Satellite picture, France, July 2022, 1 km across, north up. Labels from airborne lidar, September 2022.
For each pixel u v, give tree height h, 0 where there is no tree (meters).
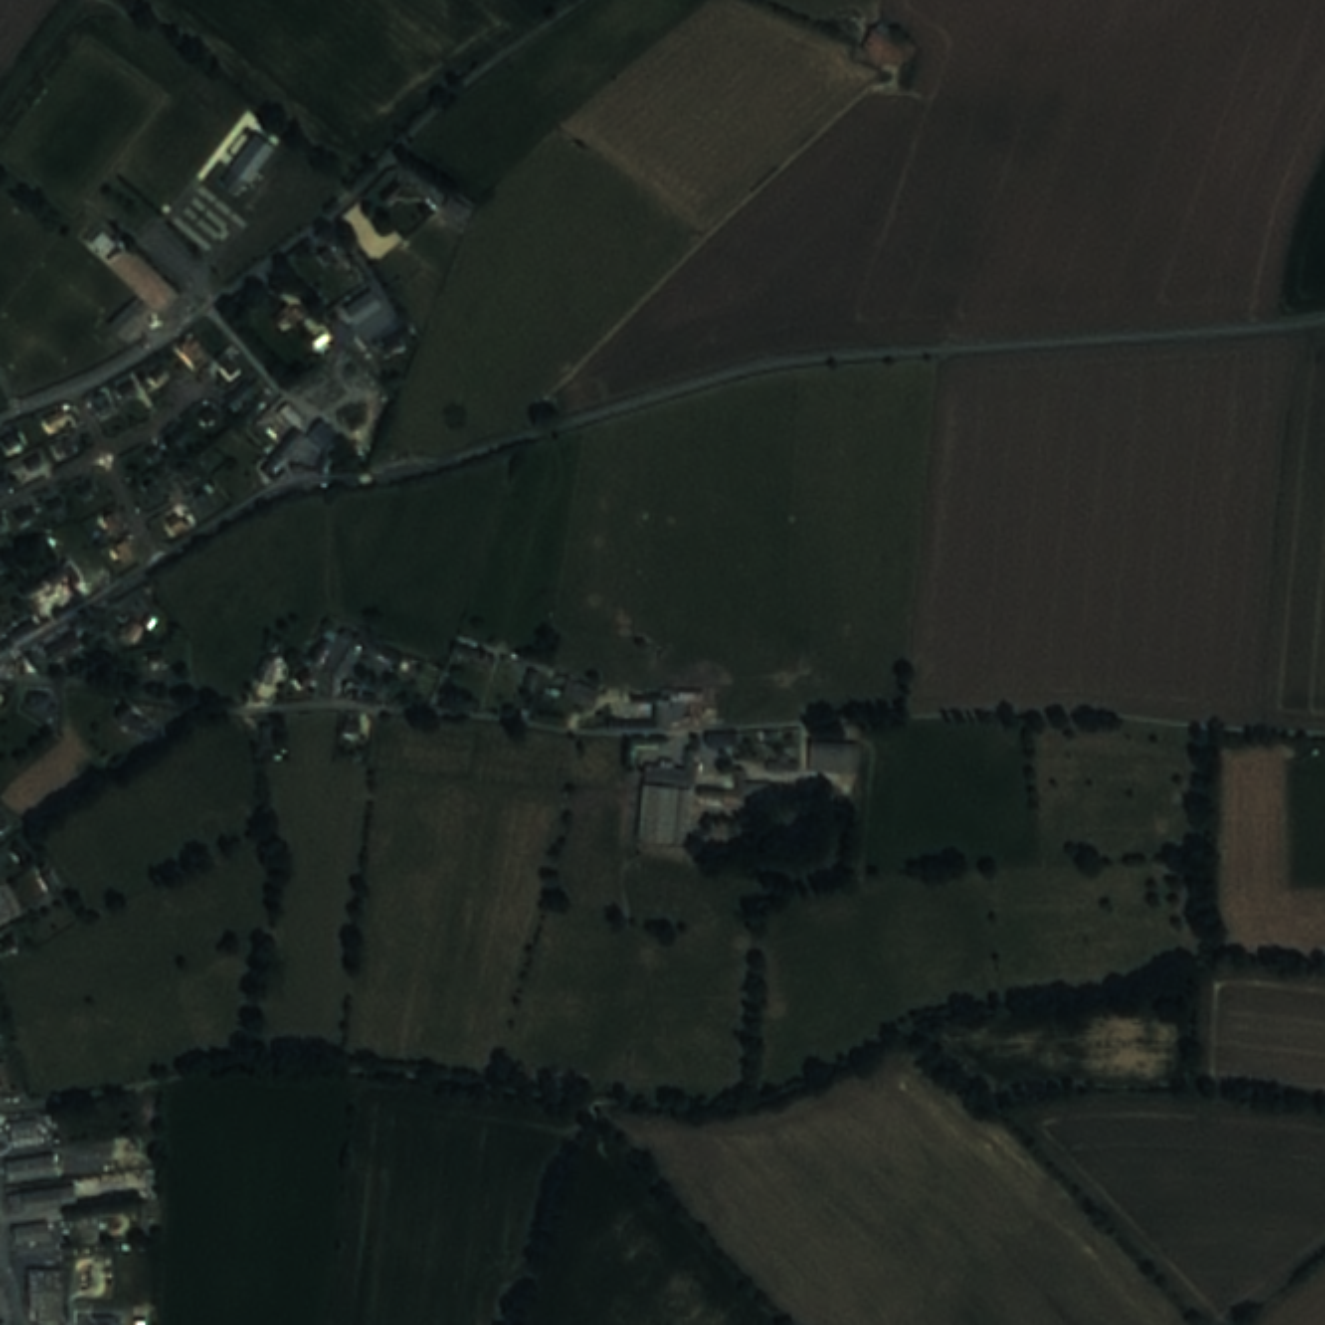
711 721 0
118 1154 0
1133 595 0
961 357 0
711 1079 0
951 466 0
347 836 0
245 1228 0
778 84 0
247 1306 0
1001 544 0
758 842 15
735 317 0
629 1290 0
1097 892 0
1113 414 0
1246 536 0
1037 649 0
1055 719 14
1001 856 0
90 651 10
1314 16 0
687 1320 0
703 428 0
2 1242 0
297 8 0
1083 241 0
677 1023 0
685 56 0
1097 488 0
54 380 0
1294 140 0
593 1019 0
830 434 0
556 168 0
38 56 0
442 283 0
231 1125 0
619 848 0
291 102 0
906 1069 0
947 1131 0
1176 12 0
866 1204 0
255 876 0
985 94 0
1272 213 0
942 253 0
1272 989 0
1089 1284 0
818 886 22
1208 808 16
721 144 0
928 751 0
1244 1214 0
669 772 0
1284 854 0
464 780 0
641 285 0
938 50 0
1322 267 0
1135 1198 0
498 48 0
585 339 0
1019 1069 0
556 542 0
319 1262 0
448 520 0
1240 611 0
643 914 0
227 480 0
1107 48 0
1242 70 0
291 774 0
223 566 0
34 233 0
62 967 0
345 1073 15
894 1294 0
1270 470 0
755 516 0
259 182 0
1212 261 0
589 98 0
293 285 18
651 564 0
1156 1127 0
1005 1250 0
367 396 0
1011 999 13
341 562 0
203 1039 0
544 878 12
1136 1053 0
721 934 0
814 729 21
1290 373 0
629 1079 0
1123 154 0
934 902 0
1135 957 0
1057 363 0
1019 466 0
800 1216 0
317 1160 0
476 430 0
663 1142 0
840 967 0
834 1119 0
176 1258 0
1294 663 0
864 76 0
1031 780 6
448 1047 0
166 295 0
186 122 0
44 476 0
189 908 0
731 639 0
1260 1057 0
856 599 0
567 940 0
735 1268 6
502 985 0
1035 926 0
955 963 0
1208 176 0
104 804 0
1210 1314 0
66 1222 0
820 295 0
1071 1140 0
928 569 0
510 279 0
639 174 0
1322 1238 0
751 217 0
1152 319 0
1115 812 0
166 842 0
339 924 0
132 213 6
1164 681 0
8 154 0
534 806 0
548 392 0
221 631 0
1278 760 0
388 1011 0
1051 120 0
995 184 0
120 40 0
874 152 0
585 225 0
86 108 0
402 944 0
